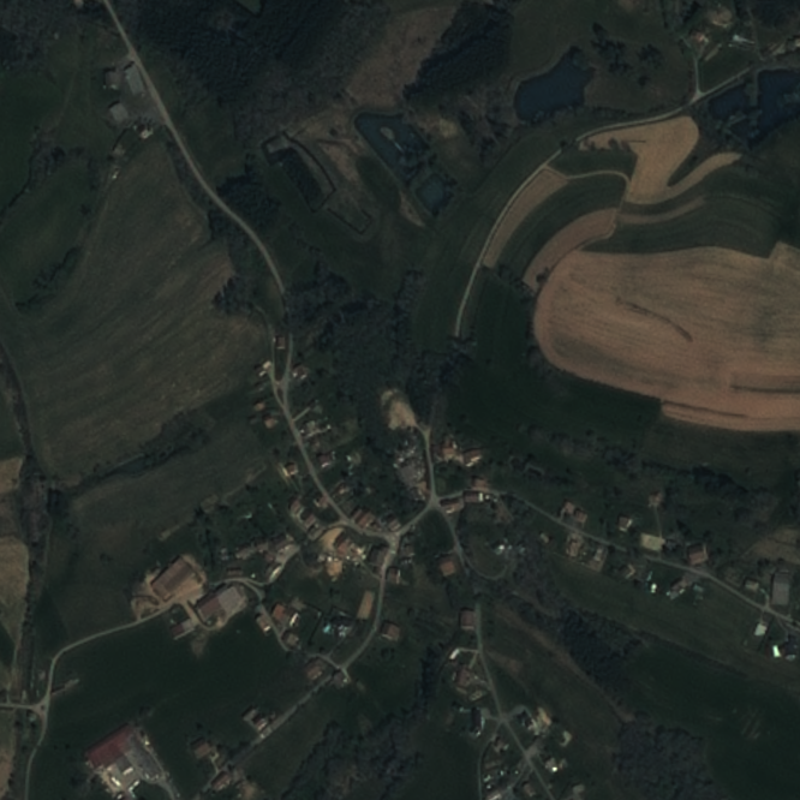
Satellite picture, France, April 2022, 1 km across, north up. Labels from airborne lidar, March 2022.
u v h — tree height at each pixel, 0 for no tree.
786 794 0
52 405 0
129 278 0
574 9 0
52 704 0
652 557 0
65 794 0
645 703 0
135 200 0
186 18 19
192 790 0
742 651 0
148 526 0
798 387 0
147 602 0
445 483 0
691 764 21
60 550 0
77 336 0
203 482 0
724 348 0
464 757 0
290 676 0
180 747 0
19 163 0
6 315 0
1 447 0
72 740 0
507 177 0
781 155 0
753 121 16
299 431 0
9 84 0
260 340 0
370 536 0
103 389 0
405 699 0
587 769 0
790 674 0
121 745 0
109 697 0
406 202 0
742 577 0
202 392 0
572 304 0
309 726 0
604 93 0
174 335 0
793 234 0
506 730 0
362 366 17
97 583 0
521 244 0
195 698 0
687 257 0
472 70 27
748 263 0
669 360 0
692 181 0
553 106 0
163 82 0
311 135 0
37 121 0
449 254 0
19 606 0
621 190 0
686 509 20
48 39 15
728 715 0
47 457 0
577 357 0
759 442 0
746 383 0
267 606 7
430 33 0
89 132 0
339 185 0
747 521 21
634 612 0
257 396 0
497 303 0
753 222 0
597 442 15
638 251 0
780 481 0
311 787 8
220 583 0
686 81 0
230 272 0
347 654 0
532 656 0
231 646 0
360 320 25
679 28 18
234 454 0
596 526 0
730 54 0
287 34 15
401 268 0
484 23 7
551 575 7
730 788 0
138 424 0
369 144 0
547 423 0
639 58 0
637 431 0
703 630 0
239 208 27
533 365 10
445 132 0
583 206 0
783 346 0
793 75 0
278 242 0
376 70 0
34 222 0
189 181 22
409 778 15
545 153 0
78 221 0
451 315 0
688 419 0
